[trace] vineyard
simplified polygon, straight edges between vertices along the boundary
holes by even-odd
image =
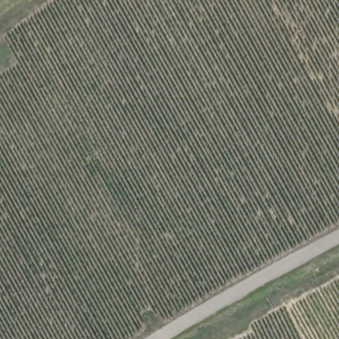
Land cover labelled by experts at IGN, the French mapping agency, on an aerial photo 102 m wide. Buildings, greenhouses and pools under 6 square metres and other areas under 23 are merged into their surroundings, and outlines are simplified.
[[[248,330],[240,334],[237,334],[236,330],[225,332],[224,339],[339,339],[339,274],[322,285],[306,290],[299,297],[270,307],[266,313],[250,320]]]
[[[5,28],[4,33],[7,37],[1,44],[9,46],[17,60],[17,66],[0,75],[0,339],[154,339],[151,332],[167,326],[181,315],[181,310],[185,306],[191,305],[196,299],[204,297],[218,286],[225,286],[230,278],[252,271],[266,260],[294,248],[319,230],[339,221],[339,0],[54,0],[49,7],[38,12],[19,28],[13,25]]]

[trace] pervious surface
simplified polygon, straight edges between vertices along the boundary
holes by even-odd
[[[339,244],[339,229],[250,275],[245,281],[181,315],[167,326],[151,332],[154,339],[175,339],[185,328]]]

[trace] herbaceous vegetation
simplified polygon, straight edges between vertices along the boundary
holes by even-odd
[[[248,330],[250,320],[266,313],[270,307],[299,297],[306,290],[322,285],[339,274],[339,244],[185,328],[175,339],[224,339],[225,332],[236,330],[237,334],[240,334]]]
[[[250,275],[339,229],[339,221],[319,230],[294,248],[266,260],[252,271],[230,278],[225,286],[218,286],[204,297],[196,299],[191,305],[185,306],[181,310],[181,315],[245,281]]]
[[[54,0],[0,0],[0,75],[17,66],[17,60],[9,46],[1,44],[7,37],[4,33],[5,28],[13,25],[19,28],[38,12],[49,7]]]

